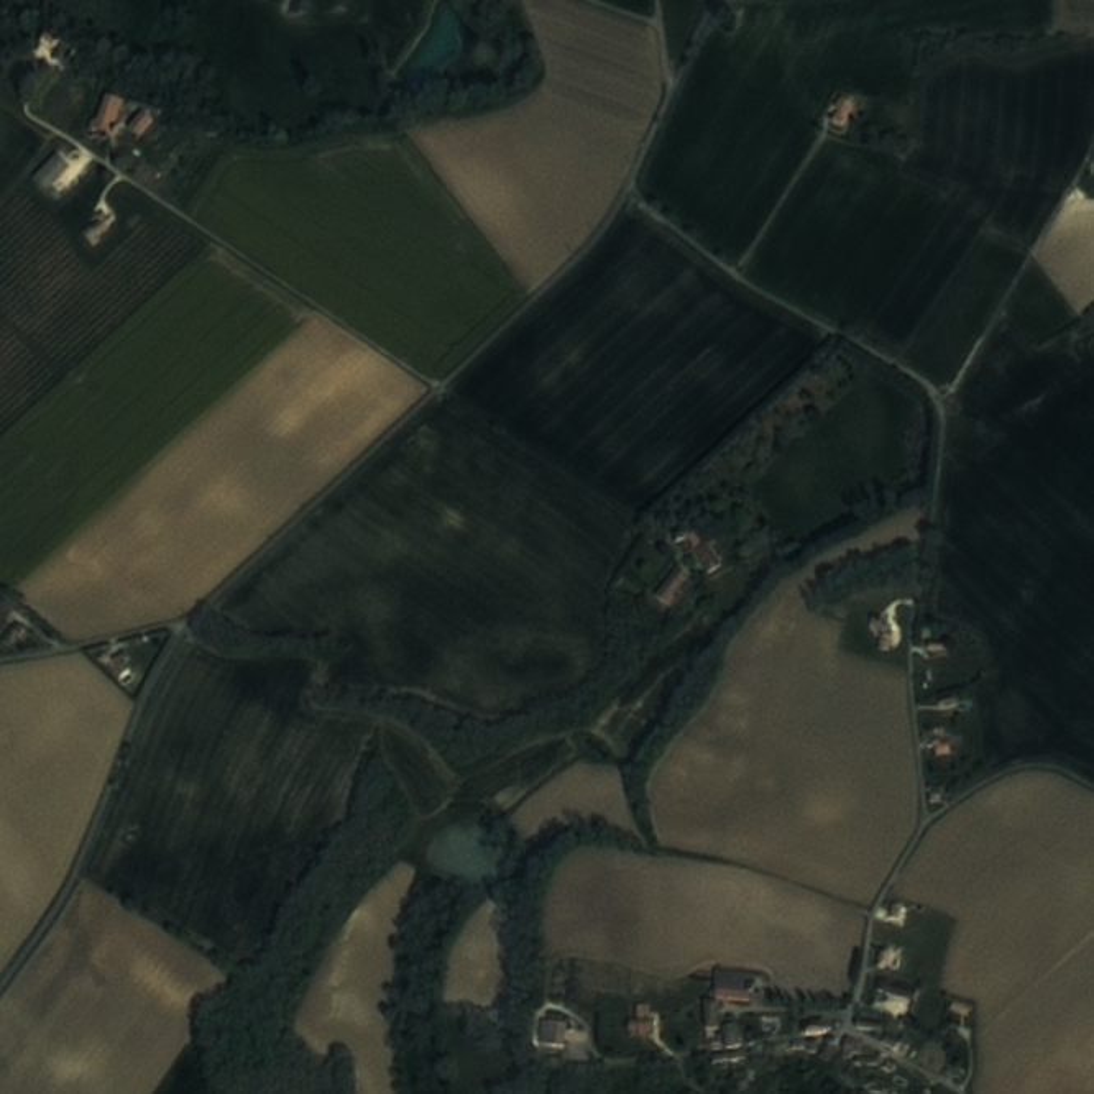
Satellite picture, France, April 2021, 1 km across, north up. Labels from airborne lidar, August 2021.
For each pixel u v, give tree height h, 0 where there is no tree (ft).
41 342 0
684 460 0
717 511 44
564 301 0
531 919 72
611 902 0
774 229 0
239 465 0
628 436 0
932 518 0
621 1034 0
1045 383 0
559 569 0
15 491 0
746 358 0
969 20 0
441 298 0
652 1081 82
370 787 66
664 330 0
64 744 0
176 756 0
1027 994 0
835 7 0
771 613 0
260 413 0
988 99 0
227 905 0
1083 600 0
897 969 0
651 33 0
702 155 0
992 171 0
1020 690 0
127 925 0
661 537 22
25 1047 0
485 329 0
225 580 0
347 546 0
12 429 0
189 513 0
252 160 0
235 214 0
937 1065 0
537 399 0
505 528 0
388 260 0
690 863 0
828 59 0
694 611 49
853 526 59
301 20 0
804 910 0
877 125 19
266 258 0
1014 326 0
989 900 0
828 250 0
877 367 45
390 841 63
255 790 0
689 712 52
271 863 0
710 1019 0
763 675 0
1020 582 0
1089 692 0
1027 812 0
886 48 0
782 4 0
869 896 0
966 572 0
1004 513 0
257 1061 70
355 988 0
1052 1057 0
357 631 0
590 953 0
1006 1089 0
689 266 0
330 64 0
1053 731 0
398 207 0
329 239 0
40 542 0
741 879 0
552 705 36
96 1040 0
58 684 0
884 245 0
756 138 0
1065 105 0
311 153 0
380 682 0
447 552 0
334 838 56
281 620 0
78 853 0
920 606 38
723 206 0
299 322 0
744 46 0
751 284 0
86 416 0
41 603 0
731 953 0
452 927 32
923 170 0
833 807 0
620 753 0
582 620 0
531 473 0
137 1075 0
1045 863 0
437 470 0
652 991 0
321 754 0
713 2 0
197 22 0
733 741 0
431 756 0
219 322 0
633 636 44
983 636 0
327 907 73
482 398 0
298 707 0
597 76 0
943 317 0
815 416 49
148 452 0
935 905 0
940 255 0
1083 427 0
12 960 0
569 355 0
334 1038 0
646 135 0
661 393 0
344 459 0
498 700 0
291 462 0
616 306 0
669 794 0
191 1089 0
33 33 29
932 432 54
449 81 41
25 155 0
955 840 0
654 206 51
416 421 0
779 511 0
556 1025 0
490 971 0
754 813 0
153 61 36
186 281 0
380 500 0
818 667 0
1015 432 0
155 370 0
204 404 0
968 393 0
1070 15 0
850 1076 52
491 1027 68
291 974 87
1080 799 0
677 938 0
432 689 0
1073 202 0
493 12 72
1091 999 0
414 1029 67
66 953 0
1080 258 0
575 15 0
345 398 0
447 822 0
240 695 0
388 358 0
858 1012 34
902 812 0
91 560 0
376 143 0
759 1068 27
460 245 0
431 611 0
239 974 44
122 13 0
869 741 0
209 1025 63
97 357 0
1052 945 0
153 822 0
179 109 21
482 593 0
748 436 44
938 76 0
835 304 0
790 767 0
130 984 0
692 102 0
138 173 0
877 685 0
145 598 0
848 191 0
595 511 0
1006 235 0
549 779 0
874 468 0
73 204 0
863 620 0
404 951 58
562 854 57
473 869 0
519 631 0
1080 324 28
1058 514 0
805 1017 21
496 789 0
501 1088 60
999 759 0
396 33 0
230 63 0
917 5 0
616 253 0
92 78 37
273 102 0
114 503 0
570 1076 45
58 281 0
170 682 0
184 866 0
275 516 0
